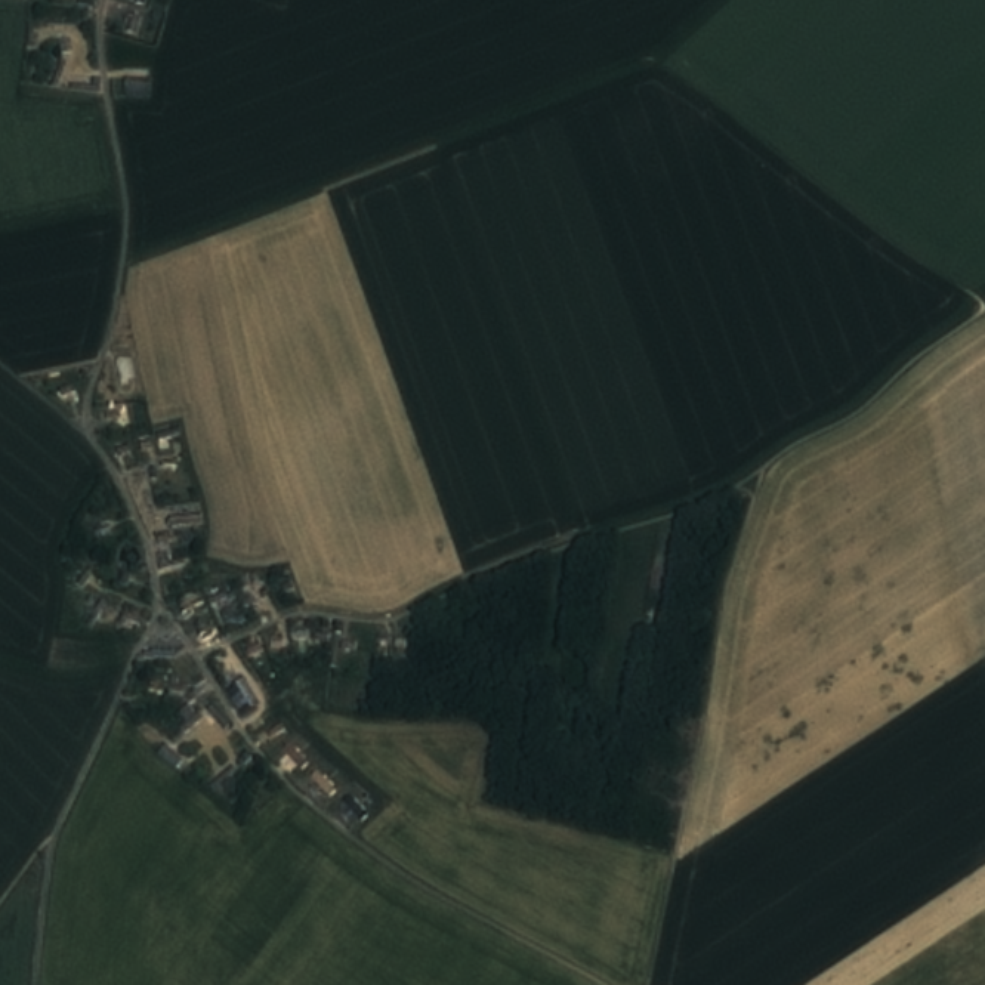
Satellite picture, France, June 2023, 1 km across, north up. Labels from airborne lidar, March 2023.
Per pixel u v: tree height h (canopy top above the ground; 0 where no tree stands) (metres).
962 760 0
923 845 0
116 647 0
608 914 0
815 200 0
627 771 19
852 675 0
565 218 0
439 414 0
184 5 0
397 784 0
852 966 0
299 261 0
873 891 0
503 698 23
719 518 20
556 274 0
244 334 0
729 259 0
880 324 0
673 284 0
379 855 0
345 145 0
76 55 0
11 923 0
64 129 0
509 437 0
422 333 0
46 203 0
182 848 0
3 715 0
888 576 0
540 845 0
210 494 0
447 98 0
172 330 0
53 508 0
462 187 0
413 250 0
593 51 0
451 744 0
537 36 0
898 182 0
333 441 0
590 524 0
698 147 0
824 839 0
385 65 0
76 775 0
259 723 0
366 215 0
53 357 0
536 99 0
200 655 0
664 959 0
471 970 0
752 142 0
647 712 20
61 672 0
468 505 0
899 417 0
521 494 0
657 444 0
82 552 8
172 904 0
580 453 0
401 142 0
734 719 0
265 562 0
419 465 0
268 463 0
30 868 0
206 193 0
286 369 0
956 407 0
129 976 0
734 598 0
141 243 0
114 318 0
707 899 0
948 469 0
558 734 21
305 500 0
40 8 11
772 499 0
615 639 0
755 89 0
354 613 0
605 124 0
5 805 0
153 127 0
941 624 0
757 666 0
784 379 0
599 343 0
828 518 0
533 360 0
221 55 0
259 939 0
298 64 0
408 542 0
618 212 0
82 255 0
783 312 0
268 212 0
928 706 0
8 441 0
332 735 0
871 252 0
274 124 0
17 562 0
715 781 0
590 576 21
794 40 0
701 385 0
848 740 0
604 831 13
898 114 0
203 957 0
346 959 0
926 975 0
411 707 15
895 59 0
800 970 0
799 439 0
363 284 0
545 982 0
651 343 0
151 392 0
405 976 0
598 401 0
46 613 0
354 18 0
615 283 0
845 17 0
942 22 0
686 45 0
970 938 0
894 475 0
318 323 0
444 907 0
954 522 0
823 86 0
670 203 0
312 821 0
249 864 0
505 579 20
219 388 0
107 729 0
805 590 0
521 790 18
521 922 0
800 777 0
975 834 0
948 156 0
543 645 18
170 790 0
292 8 0
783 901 0
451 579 0
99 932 0
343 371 0
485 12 0
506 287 0
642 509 0
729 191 0
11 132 0
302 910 0
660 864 0
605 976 0
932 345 0
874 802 0
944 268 0
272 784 8
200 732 0
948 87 0
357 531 0
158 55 0
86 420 0
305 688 0
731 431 0
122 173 0
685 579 21
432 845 0
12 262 0
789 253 0
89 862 0
